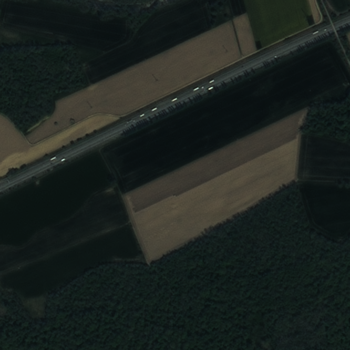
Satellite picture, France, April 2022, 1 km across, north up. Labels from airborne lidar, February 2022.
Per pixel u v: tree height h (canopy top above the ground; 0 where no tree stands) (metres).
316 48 0
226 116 0
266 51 0
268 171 0
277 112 0
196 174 0
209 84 0
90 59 0
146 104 0
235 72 0
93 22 0
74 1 15
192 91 0
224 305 24
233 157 0
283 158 0
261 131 0
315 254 14
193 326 21
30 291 0
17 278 0
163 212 0
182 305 27
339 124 25
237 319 20
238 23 0
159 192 0
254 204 0
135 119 0
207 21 0
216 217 0
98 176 0
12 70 25
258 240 20
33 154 0
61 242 0
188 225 0
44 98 32
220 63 0
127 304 24
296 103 0
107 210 0
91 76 0
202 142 0
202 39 0
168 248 0
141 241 0
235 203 0
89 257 0
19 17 0
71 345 26
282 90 0
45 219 0
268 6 0
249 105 0
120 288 29
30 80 22
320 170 0
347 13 0
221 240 29
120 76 0
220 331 19
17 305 26
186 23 0
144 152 0
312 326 22
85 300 24
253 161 0
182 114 0
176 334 20
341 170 0
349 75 0
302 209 11
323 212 0
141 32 0
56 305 25
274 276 17
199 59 0
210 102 0
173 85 0
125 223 0
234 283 21
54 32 0
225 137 0
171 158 0
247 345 23
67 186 0
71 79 18
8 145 0
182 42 0
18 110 21
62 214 0
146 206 0
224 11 0
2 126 0
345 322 26
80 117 0
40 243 0
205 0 0
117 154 0
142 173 0
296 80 0
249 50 0
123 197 0
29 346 18
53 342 22
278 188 0
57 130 0
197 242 17
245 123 0
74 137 0
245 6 0
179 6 0
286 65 0
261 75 0
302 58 0
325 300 21
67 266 0
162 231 0
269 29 0
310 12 0
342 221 0
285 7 0
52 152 0
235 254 23
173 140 0
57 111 0
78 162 0
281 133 0
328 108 31
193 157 0
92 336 22
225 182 0
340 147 0
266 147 0
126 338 25
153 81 0
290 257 19
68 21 0
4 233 0
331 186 0
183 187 0
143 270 14
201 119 0
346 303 20
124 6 17
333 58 0
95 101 0
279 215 19
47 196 0
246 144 0
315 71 0
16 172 8
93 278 14
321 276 21
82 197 0
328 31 0
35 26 0
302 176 0
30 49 28
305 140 0
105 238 0
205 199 0
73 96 0
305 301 15
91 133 0
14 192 0
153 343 25
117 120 0
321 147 0
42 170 0
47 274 0
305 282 18
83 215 0
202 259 21
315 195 0
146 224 0
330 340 18
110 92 0
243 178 0
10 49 22
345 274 21
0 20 0
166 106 0
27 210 0
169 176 0
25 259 0
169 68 0
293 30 0
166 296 18
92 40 0
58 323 25
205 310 20
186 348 22
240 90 0
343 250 23
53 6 0
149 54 0
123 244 0
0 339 26
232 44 0
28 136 0
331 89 0
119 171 0
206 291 27
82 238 0
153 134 0
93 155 0
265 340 22
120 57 0
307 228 16
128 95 0
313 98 0
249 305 23
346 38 12
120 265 15
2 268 0
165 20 0
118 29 0
